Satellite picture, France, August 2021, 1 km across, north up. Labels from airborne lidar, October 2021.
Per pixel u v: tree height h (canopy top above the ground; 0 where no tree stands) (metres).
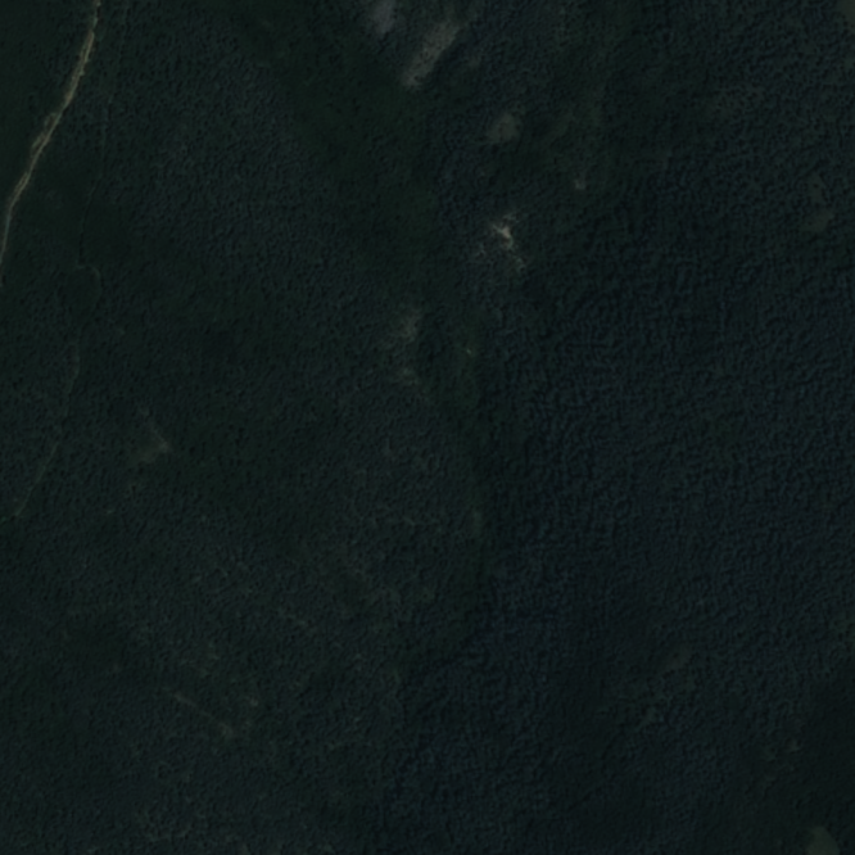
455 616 12
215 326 12
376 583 12
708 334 13
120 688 11
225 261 15
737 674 12
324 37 15
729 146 15
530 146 11
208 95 15
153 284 8
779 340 14
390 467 10
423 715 14
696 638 9
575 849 17
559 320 14
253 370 15
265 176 13
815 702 12
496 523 9
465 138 11
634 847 15
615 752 18
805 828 8
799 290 9
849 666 11
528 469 9
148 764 12
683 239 10
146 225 12
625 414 18
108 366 13
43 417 13
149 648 8
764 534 10
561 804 18
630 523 13
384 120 8
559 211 20
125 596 10
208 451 16
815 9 9
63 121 6
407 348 10
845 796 17
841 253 20
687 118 7
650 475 17
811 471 13
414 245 10
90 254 9
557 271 17
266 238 14
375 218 7
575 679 14
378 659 15
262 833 14
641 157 7
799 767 12
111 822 12
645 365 13
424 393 8
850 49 9
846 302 14
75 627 7
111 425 15
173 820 12
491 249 8
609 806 14
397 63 10
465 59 7
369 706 11
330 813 18
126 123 12
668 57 6
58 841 9
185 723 15
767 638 17
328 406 5
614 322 12
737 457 15
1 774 15
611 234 13
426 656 9
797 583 18
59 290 14
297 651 15
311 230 15
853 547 14
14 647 14
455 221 17
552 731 12
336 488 9
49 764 14
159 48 14
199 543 13
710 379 9
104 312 10
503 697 15
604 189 10
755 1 6
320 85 7
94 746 14
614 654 13
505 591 13
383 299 9
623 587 12
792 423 18
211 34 15
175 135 15
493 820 15
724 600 16
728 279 12
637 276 11
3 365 11
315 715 13
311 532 9
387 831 8
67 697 14
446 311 8
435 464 14
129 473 7
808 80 9
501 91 10
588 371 15
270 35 10
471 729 14
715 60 14
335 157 13
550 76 13
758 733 12
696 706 12
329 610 11
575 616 13
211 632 13
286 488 8
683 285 7
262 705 6
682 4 10
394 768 14
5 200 8
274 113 13
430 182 10
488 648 17
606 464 17
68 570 12
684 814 13
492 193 13
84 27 10
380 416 16
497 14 12
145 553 10
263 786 13
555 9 10
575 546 8
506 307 10
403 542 8
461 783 16
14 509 6
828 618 14
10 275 10
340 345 15
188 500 14
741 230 8
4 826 12
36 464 13
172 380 15
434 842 15
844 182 13
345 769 8
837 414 9
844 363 14
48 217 8
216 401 8
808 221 12
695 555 14
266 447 6
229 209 16
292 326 15
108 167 6
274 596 8
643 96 10
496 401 21
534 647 10
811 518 12
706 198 14
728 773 10
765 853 13
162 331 12
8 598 14
